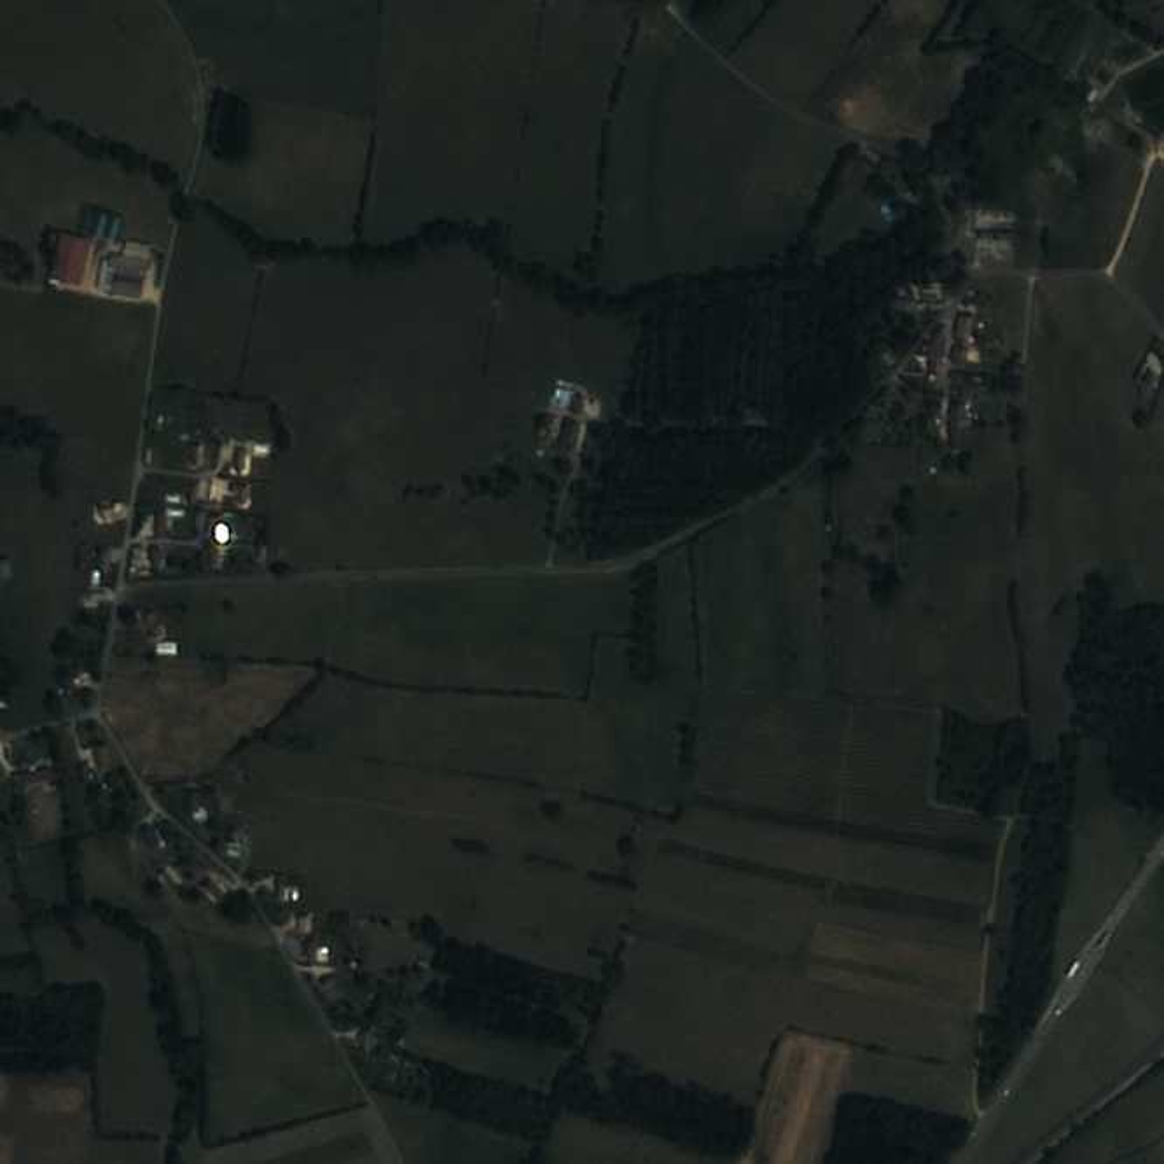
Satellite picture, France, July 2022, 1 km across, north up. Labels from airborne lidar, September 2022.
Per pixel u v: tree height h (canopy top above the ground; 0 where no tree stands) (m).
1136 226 0
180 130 0
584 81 0
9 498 0
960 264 10
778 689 0
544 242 0
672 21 0
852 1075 0
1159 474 0
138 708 0
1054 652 0
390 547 0
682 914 0
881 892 0
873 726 0
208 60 0
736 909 0
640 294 19
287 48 0
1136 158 0
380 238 0
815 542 0
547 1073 0
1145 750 17
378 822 0
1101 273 0
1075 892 0
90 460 0
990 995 0
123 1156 0
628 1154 0
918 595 0
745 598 0
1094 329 0
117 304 0
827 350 24
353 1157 0
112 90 0
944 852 0
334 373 0
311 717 0
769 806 0
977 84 17
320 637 0
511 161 0
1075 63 0
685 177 0
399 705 0
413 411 0
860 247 16
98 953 0
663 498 20
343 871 0
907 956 0
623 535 15
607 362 0
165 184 15
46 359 0
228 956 0
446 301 0
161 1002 18
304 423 0
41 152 0
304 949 0
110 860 0
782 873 0
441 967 16
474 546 0
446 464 0
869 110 0
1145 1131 0
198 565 8
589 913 0
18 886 6
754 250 0
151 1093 0
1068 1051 0
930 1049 0
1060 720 0
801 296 24
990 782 11
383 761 0
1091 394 0
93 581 0
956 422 0
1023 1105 0
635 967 0
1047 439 0
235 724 0
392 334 0
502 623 0
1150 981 0
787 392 19
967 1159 0
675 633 0
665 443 21
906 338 16
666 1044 0
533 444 0
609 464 15
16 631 0
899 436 7
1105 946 0
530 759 0
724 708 0
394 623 0
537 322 0
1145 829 0
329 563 0
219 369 0
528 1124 6
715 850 0
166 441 0
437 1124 0
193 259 0
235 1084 0
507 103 0
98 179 0
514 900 0
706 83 0
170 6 0
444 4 0
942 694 0
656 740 0
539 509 0
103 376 0
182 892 7
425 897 0
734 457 19
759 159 0
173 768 0
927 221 17
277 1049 0
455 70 0
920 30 0
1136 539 0
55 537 0
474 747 0
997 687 0
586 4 0
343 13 0
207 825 0
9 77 0
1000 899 0
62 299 0
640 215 0
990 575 0
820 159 0
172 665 0
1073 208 0
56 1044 15
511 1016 15
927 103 0
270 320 0
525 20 0
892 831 0
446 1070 9
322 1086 0
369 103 0
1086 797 0
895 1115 21
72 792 0
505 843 0
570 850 0
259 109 0
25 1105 0
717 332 21
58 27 0
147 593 0
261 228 0
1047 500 0
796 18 0
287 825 0
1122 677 11
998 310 0
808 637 0
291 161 0
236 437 0
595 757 0
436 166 0
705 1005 0
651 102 0
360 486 0
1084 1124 6
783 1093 0
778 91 0
